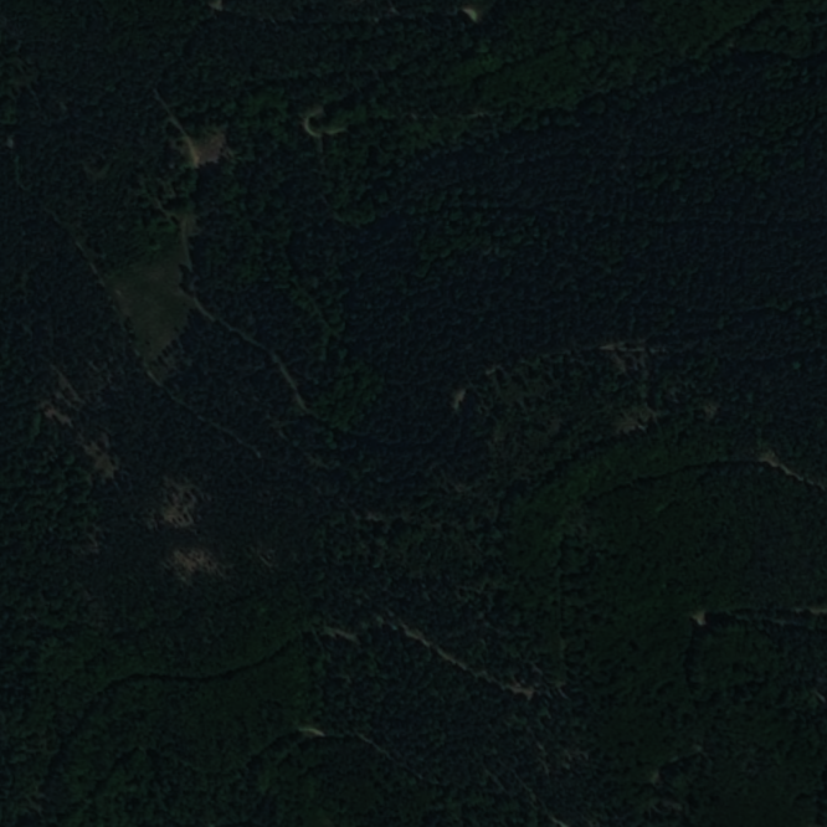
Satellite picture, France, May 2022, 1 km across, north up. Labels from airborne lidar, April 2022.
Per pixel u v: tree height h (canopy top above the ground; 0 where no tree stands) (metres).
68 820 27
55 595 24
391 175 24
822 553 22
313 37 25
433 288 28
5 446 23
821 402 27
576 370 24
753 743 25
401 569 7
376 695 30
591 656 10
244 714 23
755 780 17
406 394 31
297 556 26
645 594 29
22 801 21
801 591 22
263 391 31
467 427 20
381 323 32
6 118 22
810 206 28
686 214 26
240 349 27
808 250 28
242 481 25
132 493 26
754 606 22
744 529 22
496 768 32
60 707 24
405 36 28
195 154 0
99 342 24
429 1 28
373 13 20
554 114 26
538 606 16
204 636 22
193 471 30
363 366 28
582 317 30
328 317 27
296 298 25
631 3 26
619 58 26
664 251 29
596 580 27
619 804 15
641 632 21
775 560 23
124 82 28
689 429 23
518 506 16
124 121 26
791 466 23
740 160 25
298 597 23
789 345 29
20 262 25
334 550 17
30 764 19
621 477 17
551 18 21
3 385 20
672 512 19
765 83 26
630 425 0
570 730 23
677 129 37
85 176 25
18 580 14
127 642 23
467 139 24
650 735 16
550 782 28
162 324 0
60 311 30
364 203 25
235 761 21
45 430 23
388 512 33
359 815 17
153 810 34
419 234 31
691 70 25
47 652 28
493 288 31
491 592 8
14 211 22
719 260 32
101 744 25
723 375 20
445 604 15
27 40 13
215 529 24
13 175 23
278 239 24
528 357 23
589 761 20
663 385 20
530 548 17
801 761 19
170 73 23
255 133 25
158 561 20
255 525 21
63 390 30
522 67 25
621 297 27
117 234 7
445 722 29
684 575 25
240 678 20
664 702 11
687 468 18
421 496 24
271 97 28
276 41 28
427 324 38
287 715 24
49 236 29
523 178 32
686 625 15
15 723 22
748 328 21
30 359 20
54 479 24
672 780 44
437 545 6
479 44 23
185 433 28
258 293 21
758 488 20
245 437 29
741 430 24
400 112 22
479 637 22
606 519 18
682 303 23
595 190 37
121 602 22
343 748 20
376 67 29
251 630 21
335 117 29
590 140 30
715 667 25
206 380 27
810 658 32
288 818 34
